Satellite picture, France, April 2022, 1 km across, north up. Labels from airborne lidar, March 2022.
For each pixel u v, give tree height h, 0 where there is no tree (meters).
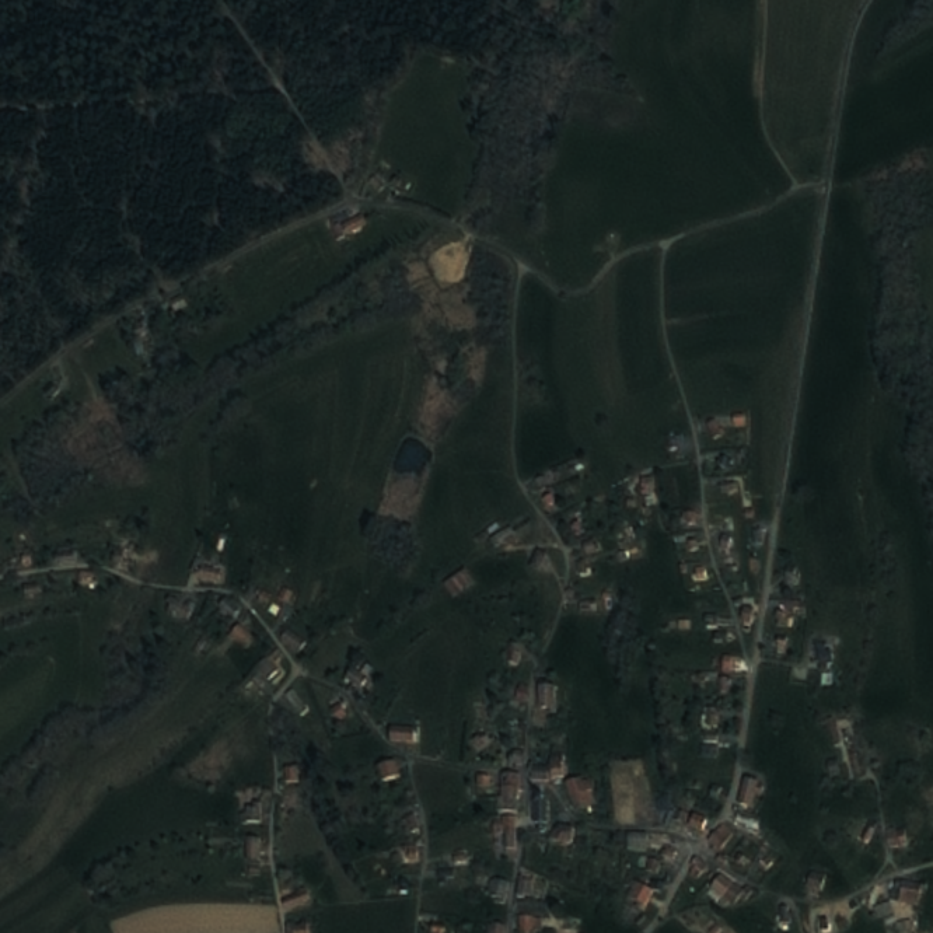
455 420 0
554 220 0
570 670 0
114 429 0
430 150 0
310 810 13
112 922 0
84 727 22
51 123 17
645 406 0
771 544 0
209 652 0
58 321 19
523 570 0
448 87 0
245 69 19
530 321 0
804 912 0
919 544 0
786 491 0
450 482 0
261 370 17
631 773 0
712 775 0
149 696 18
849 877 0
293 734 16
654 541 0
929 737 13
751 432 0
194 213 20
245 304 0
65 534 0
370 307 9
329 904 0
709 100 0
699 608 0
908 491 0
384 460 0
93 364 0
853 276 0
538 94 19
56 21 17
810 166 0
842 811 0
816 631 0
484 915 0
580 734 0
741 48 0
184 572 0
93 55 15
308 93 18
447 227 0
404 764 0
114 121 21
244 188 21
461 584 0
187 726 0
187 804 0
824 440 0
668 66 0
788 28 0
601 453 0
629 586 0
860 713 0
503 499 0
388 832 10
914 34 18
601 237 0
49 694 0
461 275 0
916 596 0
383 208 0
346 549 0
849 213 0
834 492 0
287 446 0
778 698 0
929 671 0
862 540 0
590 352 0
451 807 0
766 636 0
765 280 0
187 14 29
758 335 0
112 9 18
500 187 19
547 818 0
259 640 9
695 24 0
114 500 0
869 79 0
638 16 0
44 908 0
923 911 0
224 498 0
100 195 17
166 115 19
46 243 15
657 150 0
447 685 0
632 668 19
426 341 0
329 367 0
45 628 0
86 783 0
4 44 11
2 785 18
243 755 0
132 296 15
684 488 0
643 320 0
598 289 0
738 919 0
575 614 0
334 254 0
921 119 0
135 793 0
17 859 0
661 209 0
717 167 0
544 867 0
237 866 0
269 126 23
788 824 0
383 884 0
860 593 0
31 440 19
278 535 0
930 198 6
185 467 0
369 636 0
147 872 0
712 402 0
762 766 0
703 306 0
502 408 0
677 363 0
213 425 9
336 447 0
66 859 0
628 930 0
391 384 0
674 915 0
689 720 9
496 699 17
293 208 21
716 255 0
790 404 0
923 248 0
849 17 0
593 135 0
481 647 0
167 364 25
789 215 0
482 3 22
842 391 0
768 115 0
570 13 9
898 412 0
